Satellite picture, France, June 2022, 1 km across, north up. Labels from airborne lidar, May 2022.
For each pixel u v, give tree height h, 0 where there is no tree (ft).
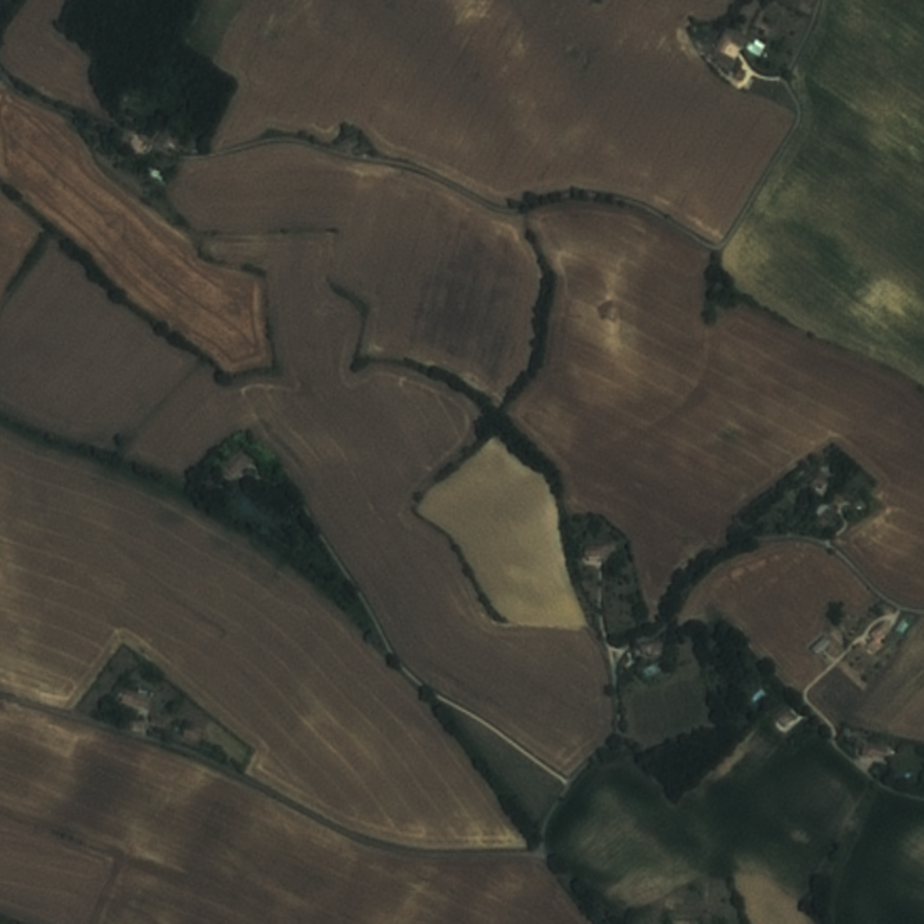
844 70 0
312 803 0
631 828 0
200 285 0
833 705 0
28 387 0
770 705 45
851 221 0
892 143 0
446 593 0
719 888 0
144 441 0
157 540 0
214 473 50
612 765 0
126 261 0
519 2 0
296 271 0
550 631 0
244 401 0
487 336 0
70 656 0
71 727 0
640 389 0
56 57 0
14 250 0
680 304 0
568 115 0
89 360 0
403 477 0
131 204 0
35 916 0
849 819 0
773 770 0
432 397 0
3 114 0
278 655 0
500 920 0
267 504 48
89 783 0
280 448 0
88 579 0
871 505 35
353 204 0
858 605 0
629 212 0
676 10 0
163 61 21
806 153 0
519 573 0
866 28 0
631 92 0
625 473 0
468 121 0
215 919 0
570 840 0
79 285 0
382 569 0
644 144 0
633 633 29
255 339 0
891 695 0
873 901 0
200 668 0
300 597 0
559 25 0
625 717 33
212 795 0
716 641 43
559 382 0
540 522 0
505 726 0
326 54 0
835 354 0
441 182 0
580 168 0
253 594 0
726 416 0
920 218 0
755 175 0
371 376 0
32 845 0
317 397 0
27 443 0
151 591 0
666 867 0
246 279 0
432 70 0
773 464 0
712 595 0
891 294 0
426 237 0
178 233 0
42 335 0
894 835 0
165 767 0
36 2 0
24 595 0
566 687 0
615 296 0
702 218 0
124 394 0
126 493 0
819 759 0
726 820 0
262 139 0
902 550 0
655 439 0
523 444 45
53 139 0
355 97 0
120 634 0
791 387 0
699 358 0
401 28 0
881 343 0
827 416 0
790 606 0
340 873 0
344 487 0
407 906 0
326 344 0
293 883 0
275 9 0
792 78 31
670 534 0
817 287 0
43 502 0
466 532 0
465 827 0
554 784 0
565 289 0
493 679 0
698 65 0
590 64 0
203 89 54
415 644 0
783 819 0
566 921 0
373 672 0
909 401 0
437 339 0
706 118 0
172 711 42
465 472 0
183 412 0
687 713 0
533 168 0
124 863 0
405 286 0
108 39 46
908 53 0
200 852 0
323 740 0
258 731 0
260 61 0
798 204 0
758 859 0
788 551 0
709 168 0
